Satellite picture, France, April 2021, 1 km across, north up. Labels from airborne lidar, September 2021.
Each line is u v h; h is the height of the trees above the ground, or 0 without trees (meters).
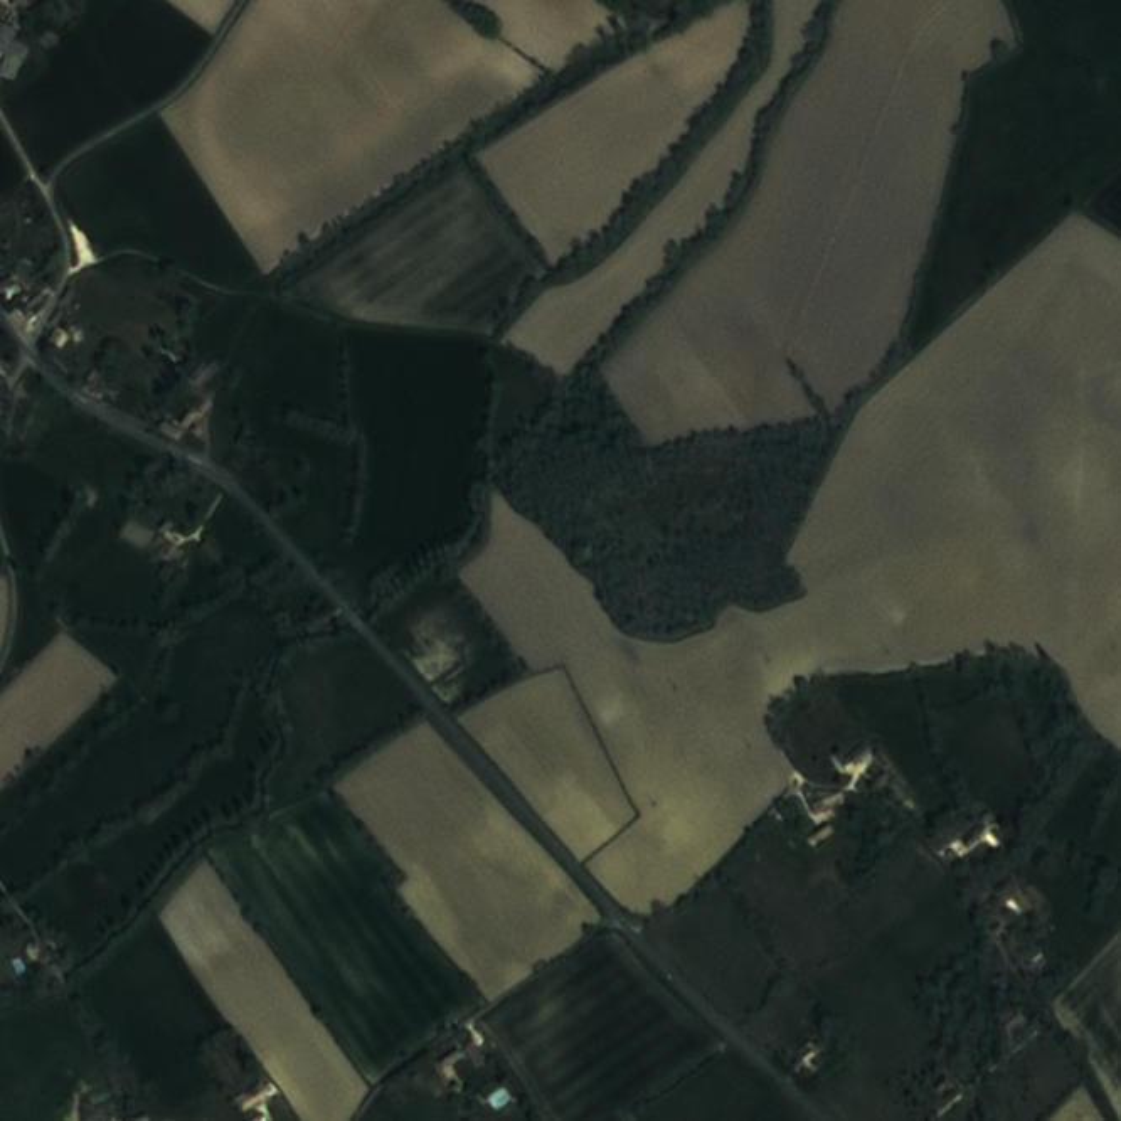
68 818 0
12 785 8
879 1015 0
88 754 11
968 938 0
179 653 0
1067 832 0
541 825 0
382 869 0
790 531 15
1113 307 0
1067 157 0
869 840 6
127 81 0
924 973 0
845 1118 0
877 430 0
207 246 0
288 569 11
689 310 0
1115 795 15
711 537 14
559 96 8
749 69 19
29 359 0
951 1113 9
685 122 0
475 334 0
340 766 15
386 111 0
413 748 0
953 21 0
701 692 0
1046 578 0
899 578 0
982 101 0
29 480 0
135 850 0
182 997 0
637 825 0
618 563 11
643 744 0
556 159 0
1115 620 0
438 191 0
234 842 0
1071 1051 14
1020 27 0
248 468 0
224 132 0
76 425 0
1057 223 0
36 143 0
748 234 0
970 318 0
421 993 0
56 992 14
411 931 0
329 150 0
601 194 0
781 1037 0
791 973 12
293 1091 0
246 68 0
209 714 0
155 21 0
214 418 0
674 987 0
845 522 0
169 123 0
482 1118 0
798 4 0
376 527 0
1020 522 0
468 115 0
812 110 0
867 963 0
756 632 0
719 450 16
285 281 8
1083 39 0
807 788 8
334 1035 0
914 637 0
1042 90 0
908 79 0
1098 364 0
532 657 0
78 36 0
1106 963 0
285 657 18
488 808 0
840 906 0
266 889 0
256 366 0
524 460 17
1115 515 0
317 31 0
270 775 10
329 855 0
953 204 0
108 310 0
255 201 0
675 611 14
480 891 0
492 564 0
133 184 0
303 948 0
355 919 0
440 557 20
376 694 0
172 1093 0
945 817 12
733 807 0
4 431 15
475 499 14
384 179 0
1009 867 18
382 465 0
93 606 0
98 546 0
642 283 0
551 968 9
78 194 0
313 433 14
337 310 0
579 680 0
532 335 0
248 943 0
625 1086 0
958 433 0
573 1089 0
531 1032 0
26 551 0
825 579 0
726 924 0
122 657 0
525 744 0
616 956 0
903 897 0
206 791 0
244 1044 11
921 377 0
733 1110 0
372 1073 0
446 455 0
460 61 0
